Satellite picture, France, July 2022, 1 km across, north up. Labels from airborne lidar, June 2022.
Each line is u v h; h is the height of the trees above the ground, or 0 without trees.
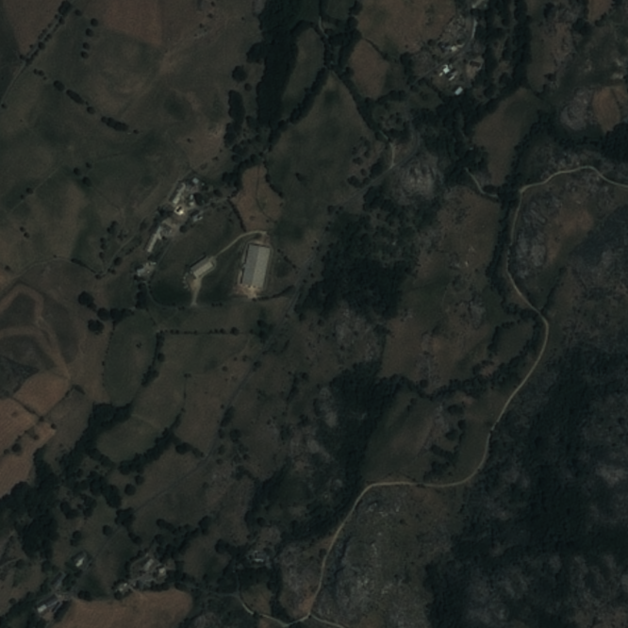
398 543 0
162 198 0
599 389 7
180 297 0
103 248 10
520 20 18
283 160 0
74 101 11
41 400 0
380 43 0
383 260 7
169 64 0
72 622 0
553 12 19
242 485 0
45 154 0
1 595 0
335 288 14
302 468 0
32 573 0
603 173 0
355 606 0
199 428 0
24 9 0
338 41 15
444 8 0
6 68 0
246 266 0
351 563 0
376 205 15
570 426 6
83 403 0
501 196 12
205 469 0
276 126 17
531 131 8
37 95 0
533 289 0
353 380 14
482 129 0
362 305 16
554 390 6
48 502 7
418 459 0
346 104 0
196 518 0
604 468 0
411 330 0
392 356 0
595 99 0
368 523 0
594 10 0
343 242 7
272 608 8
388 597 0
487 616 0
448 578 10
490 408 0
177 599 0
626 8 0
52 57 0
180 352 0
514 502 5
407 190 0
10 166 0
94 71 0
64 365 0
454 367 0
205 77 0
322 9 13
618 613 0
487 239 0
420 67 0
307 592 0
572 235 0
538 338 9
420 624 0
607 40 0
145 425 0
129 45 0
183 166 0
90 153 0
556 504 6
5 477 0
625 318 0
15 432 0
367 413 8
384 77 0
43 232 0
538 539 6
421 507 0
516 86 10
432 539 0
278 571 10
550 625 6
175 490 0
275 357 0
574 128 0
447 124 14
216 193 11
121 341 0
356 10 13
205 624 0
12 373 0
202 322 0
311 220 0
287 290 6
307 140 0
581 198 0
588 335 0
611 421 0
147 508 0
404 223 9
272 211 0
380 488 0
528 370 0
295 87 0
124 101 0
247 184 0
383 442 0
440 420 0
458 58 0
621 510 0
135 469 15
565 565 6
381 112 0
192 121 0
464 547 7
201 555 0
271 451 0
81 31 0
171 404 0
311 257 0
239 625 0
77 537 16
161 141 0
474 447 0
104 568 0
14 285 0
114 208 0
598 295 0
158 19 0
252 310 0
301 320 11
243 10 0
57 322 0
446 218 0
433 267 0
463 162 14
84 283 0
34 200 0
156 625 0
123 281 0
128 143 0
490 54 18
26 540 14
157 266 0
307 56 0
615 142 8
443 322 0
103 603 0
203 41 0
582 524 7
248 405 0
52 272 0
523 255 0
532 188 0
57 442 0
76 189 0
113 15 0
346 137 0
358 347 0
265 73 11
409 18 0
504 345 0
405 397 0
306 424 8
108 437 0
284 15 19
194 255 0
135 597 0
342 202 0
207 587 6
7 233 0
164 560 10
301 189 0
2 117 0
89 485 8
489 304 0
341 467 6
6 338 0
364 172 11
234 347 0
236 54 0
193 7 0
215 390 0
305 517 7
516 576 0
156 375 12
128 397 0
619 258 0
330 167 0
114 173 0
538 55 0
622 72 0
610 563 0
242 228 10
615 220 0
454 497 0
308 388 0
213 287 0
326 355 0
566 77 0
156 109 0
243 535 0
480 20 7
